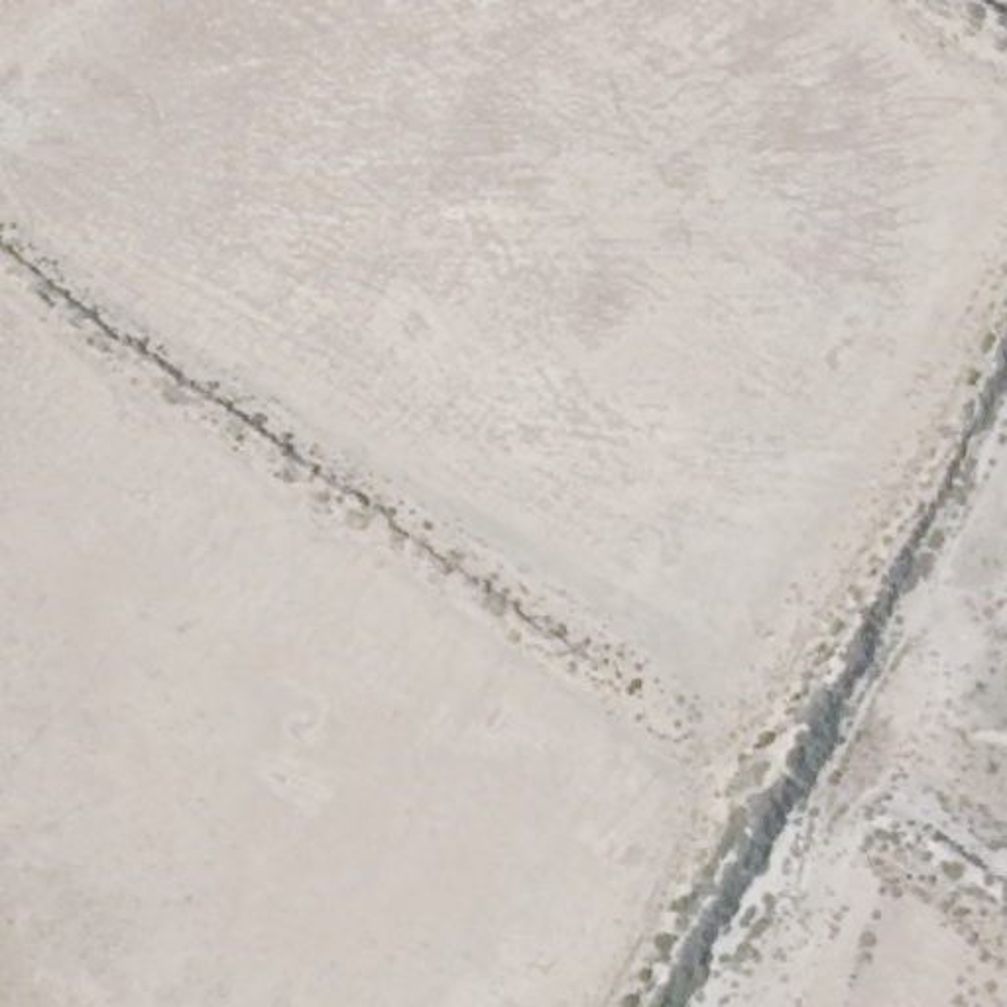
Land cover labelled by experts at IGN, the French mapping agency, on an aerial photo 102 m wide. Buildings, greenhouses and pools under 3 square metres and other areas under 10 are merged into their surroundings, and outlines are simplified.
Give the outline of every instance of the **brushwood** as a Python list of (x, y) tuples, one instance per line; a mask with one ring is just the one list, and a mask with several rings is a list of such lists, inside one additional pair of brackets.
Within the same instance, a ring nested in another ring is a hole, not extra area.
[(783, 783), (759, 802), (728, 814), (720, 846), (728, 854), (736, 850), (740, 861), (728, 869), (720, 901), (688, 940), (677, 972), (669, 972), (665, 964), (657, 972), (641, 968), (641, 983), (665, 983), (657, 1007), (688, 1007), (692, 995), (708, 983), (716, 936), (728, 932), (747, 885), (771, 861), (787, 814), (814, 791), (822, 763), (834, 755), (850, 696), (858, 681), (869, 677), (877, 665), (885, 622), (920, 578), (932, 574), (932, 563), (944, 547), (936, 515), (948, 504), (972, 500), (976, 448), (1007, 397), (1007, 334), (987, 330), (979, 338), (983, 350), (999, 358), (999, 370), (991, 374), (983, 397), (964, 405), (964, 429), (944, 468), (940, 492), (928, 504), (920, 504), (913, 535), (905, 539), (877, 602), (861, 618), (861, 633), (850, 645), (850, 661), (838, 684), (830, 684), (822, 700), (810, 708), (810, 728), (799, 736)]
[(464, 566), (464, 551), (433, 547), (433, 519), (405, 527), (393, 504), (354, 484), (354, 472), (326, 468), (319, 444), (295, 448), (291, 433), (271, 429), (264, 413), (248, 413), (236, 397), (220, 389), (220, 382), (189, 378), (177, 362), (169, 362), (165, 346), (153, 346), (149, 338), (110, 326), (94, 303), (47, 279), (35, 287), (35, 295), (47, 307), (71, 311), (75, 330), (87, 346), (126, 346), (142, 362), (157, 366), (165, 374), (161, 397), (169, 405), (208, 401), (224, 409), (232, 417), (232, 441), (248, 441), (256, 433), (260, 441), (283, 452), (283, 484), (323, 484), (315, 504), (358, 500), (358, 507), (346, 515), (350, 527), (370, 527), (374, 519), (385, 519), (393, 543), (413, 547), (444, 574), (456, 574), (464, 586), (480, 590), (488, 614), (515, 618), (507, 641), (523, 641), (527, 633), (543, 633), (555, 641), (566, 637), (566, 625), (559, 618), (531, 614), (519, 598), (507, 594), (507, 586), (496, 586), (492, 574), (476, 574), (472, 566)]

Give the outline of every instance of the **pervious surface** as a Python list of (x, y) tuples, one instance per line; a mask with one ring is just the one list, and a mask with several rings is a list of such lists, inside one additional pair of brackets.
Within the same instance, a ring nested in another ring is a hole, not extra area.
[[(354, 472), (354, 484), (393, 504), (405, 527), (433, 519), (433, 547), (464, 551), (464, 566), (472, 566), (476, 574), (492, 574), (496, 586), (507, 586), (507, 594), (519, 598), (531, 614), (559, 618), (566, 625), (566, 637), (555, 641), (543, 633), (527, 633), (523, 641), (507, 641), (515, 618), (488, 614), (480, 590), (464, 586), (456, 574), (444, 574), (413, 547), (393, 543), (385, 519), (374, 519), (370, 527), (350, 527), (346, 515), (358, 507), (358, 500), (315, 504), (323, 484), (283, 484), (283, 452), (260, 441), (256, 433), (248, 441), (232, 441), (232, 417), (224, 409), (208, 401), (169, 405), (161, 397), (165, 374), (157, 366), (142, 362), (126, 346), (87, 346), (75, 330), (71, 311), (47, 307), (35, 295), (35, 287), (47, 279), (94, 303), (110, 326), (149, 338), (153, 346), (165, 346), (169, 362), (177, 362), (189, 378), (220, 382), (220, 389), (236, 397), (248, 413), (264, 413), (271, 429), (291, 433), (295, 448), (319, 444), (326, 468)], [(861, 618), (877, 602), (905, 539), (913, 535), (920, 504), (928, 504), (940, 492), (944, 468), (964, 429), (964, 405), (983, 397), (991, 374), (999, 370), (999, 358), (983, 350), (979, 338), (987, 330), (1007, 334), (1007, 0), (0, 0), (0, 1007), (657, 1007), (665, 983), (641, 983), (641, 968), (657, 972), (665, 964), (669, 972), (677, 972), (688, 940), (720, 901), (728, 869), (740, 861), (736, 850), (728, 854), (720, 846), (728, 814), (759, 802), (783, 783), (799, 736), (810, 728), (810, 708), (822, 700), (830, 684), (838, 684), (850, 661), (850, 645), (861, 633)]]
[(771, 861), (747, 885), (728, 932), (716, 936), (708, 983), (692, 995), (688, 1007), (1007, 1007), (1007, 397), (976, 448), (972, 500), (948, 504), (936, 515), (944, 547), (932, 563), (932, 574), (920, 578), (885, 622), (877, 665), (869, 677), (858, 681), (850, 696), (834, 755), (822, 763), (814, 791), (787, 814)]

